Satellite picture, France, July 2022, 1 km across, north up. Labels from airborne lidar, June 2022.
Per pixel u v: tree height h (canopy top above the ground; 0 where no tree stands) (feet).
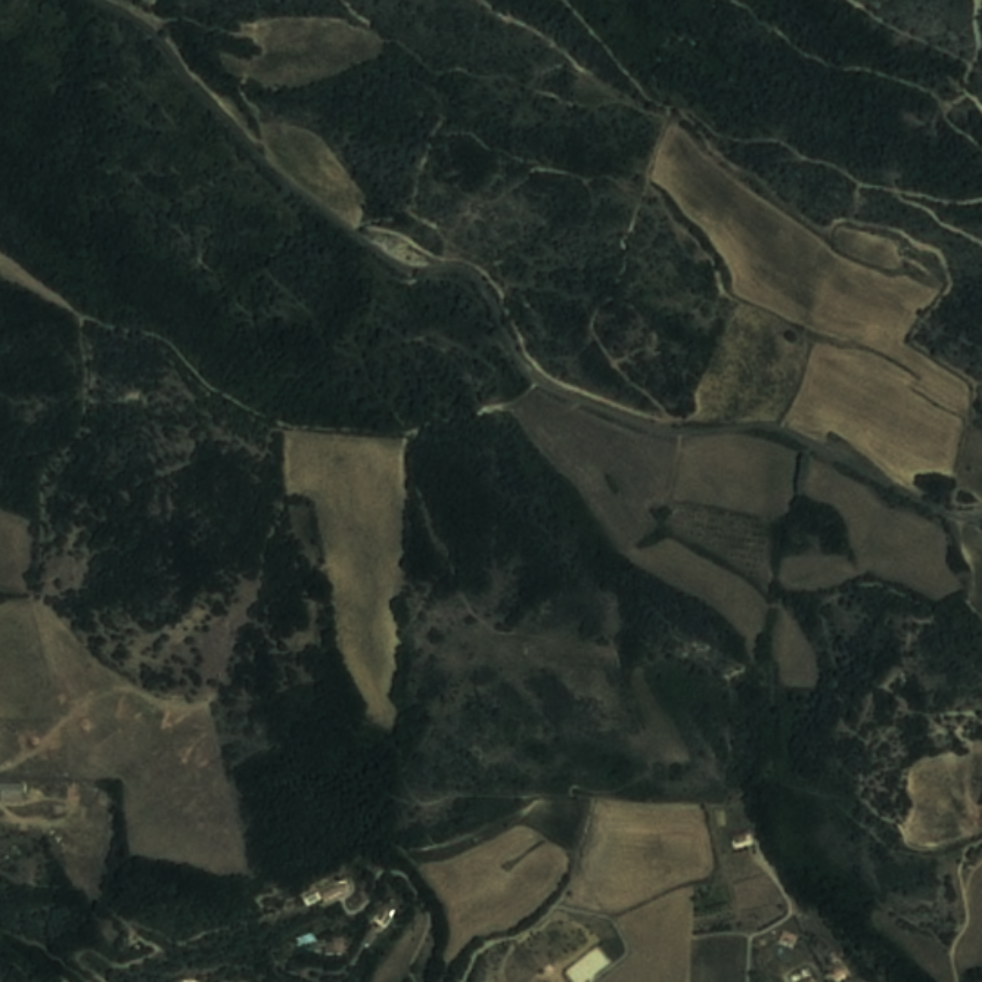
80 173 33
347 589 0
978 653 22
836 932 30
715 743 24
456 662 0
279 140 0
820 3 30
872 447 0
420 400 22
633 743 0
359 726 44
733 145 21
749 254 0
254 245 29
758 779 42
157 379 25
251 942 29
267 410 37
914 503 18
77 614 25
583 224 27
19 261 18
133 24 36
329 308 23
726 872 0
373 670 0
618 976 0
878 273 0
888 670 26
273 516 28
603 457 0
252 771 17
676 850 0
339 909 19
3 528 0
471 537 23
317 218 19
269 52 0
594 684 0
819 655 18
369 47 0
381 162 37
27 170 21
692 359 32
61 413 20
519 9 26
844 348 0
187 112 26
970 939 0
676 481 0
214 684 18
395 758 41
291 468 0
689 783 0
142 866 44
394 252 0
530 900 0
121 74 25
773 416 0
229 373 27
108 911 40
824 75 31
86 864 0
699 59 20
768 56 23
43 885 24
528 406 0
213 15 24
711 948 0
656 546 0
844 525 22
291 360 31
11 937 21
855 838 22
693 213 0
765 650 28
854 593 22
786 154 23
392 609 31
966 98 18
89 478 26
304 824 48
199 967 31
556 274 26
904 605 22
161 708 0
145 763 0
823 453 0
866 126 24
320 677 45
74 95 38
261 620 31
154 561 25
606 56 31
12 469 20
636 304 19
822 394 0
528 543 22
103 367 25
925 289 0
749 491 0
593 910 0
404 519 28
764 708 20
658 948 0
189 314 31
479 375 22
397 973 0
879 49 23
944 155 25
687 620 34
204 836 0
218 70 24
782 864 25
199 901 30
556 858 0
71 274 25
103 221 36
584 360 17
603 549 24
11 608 0
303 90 22
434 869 0
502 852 0
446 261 0
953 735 25
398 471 0
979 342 23
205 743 0
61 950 44
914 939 0
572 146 24
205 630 23
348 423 26
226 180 31
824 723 38
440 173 23
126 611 22
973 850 27
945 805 0
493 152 19
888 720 20
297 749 43
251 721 22
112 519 20
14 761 0
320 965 34
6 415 21
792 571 0
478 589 23
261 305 31
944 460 0
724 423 0
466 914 0
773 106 28
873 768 20
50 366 32
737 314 0
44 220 34
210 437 25
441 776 20
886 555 0
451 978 24
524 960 0
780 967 0
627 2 18
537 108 19
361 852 44
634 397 20
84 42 29
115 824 34
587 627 28
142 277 24
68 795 0
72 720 0
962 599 21
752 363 0
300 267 19
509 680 0
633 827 0
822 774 25
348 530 0
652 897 0
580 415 0
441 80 26
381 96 19
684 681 20
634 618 23
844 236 0
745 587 0
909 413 0
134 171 27
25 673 0
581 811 0
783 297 0
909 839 0
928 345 18
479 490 23
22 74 28
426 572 32
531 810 0
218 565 32
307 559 25
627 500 0
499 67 21
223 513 25
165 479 23
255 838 24
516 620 24
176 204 27
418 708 23
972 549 0
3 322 26
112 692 0
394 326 23
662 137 0
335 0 29
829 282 0
